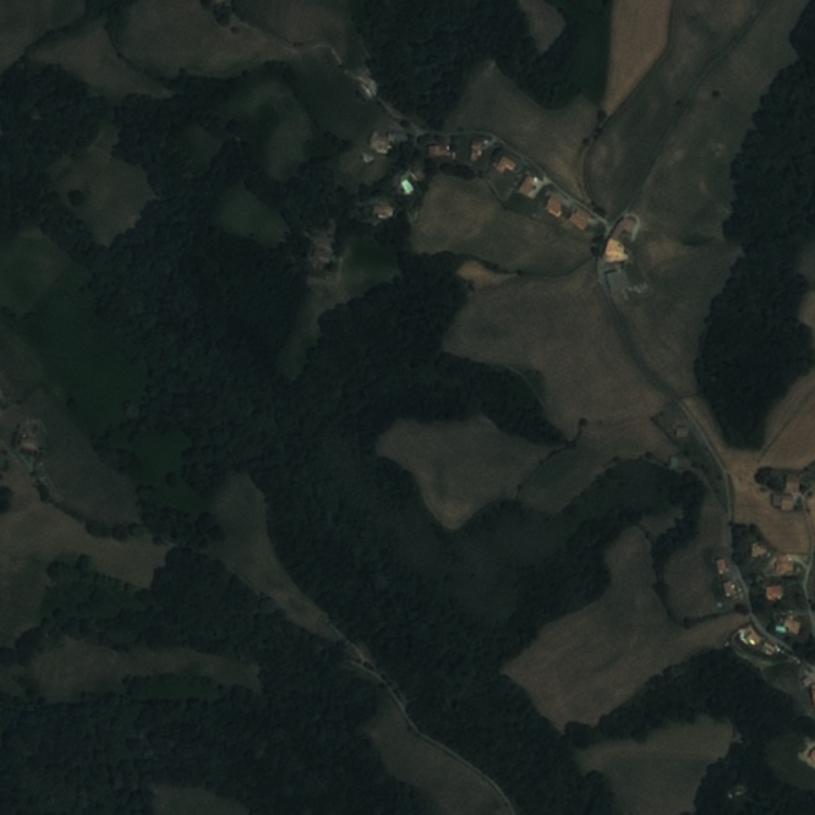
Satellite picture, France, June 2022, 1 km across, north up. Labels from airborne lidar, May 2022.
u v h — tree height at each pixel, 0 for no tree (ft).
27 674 0
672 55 0
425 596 51
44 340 0
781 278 66
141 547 0
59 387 0
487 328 0
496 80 0
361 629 61
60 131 65
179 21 0
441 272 91
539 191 0
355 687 62
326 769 65
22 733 72
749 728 55
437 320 47
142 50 0
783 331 55
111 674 0
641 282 0
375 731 0
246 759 57
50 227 65
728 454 0
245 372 54
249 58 0
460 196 0
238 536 0
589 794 55
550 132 0
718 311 61
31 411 0
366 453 24
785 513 0
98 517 0
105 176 0
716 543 0
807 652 51
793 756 0
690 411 0
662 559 37
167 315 45
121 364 0
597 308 0
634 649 0
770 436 0
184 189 56
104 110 59
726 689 57
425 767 0
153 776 55
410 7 74
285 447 55
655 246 0
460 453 0
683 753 0
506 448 0
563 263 0
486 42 42
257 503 0
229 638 46
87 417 0
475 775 0
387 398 66
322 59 0
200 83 60
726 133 0
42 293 0
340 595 53
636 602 0
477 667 61
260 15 0
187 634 33
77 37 0
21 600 0
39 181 74
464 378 21
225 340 70
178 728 51
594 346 0
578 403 0
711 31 0
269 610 49
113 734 31
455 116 0
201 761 69
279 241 0
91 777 72
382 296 90
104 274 76
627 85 0
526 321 0
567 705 0
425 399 79
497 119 0
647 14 0
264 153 0
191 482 28
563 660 0
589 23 0
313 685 29
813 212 39
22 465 0
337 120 0
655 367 0
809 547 0
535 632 41
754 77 0
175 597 70
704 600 0
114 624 44
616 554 0
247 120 0
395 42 71
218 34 0
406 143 33
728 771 60
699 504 59
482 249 0
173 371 71
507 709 63
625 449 0
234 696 53
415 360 25
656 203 0
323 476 37
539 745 58
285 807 53
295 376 0
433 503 0
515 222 0
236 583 50
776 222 96
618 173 0
